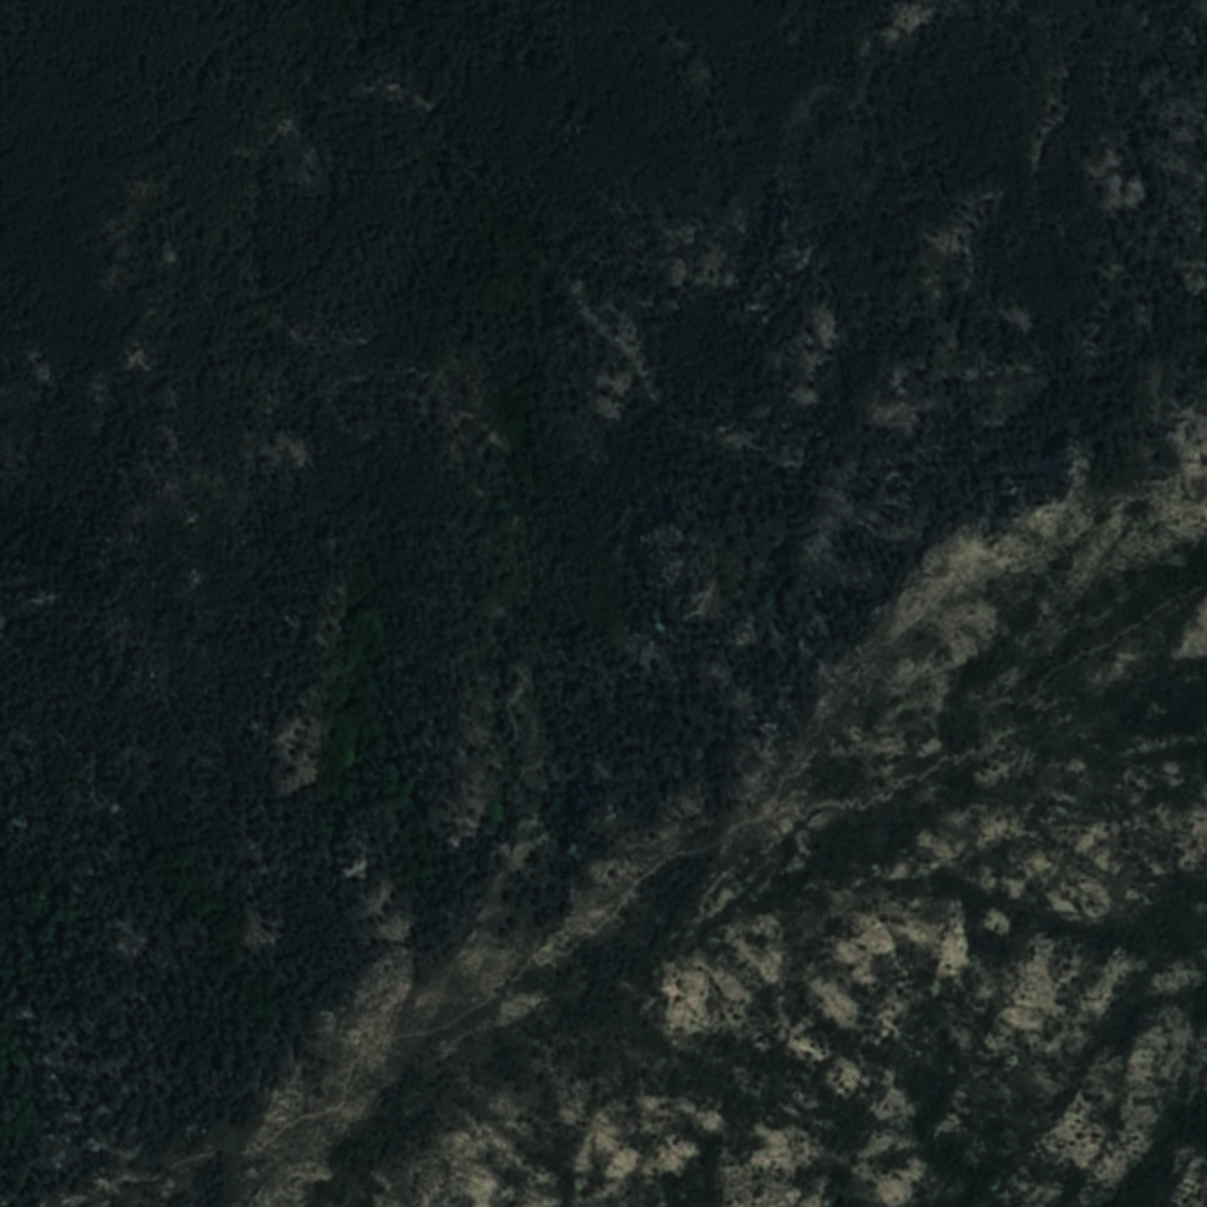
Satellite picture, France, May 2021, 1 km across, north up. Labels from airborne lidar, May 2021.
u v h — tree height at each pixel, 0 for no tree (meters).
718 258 0
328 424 13
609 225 14
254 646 11
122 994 17
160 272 6
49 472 15
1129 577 7
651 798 10
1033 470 10
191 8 21
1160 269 16
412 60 11
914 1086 6
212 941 13
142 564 15
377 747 13
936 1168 8
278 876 8
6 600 9
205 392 19
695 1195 9
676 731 15
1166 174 10
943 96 7
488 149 15
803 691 8
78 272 15
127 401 17
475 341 18
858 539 13
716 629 11
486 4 17
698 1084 9
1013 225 13
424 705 13
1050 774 0
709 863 7
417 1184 7
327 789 13
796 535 7
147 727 14
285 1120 0
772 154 14
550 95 19
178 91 19
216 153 20
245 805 18
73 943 14
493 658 8
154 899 15
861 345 11
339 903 16
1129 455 10
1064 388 17
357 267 9
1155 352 15
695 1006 0
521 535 10
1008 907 7
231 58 7
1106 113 15
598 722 15
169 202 6
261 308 13
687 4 19
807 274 7
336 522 10
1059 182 11
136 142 15
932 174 18
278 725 13
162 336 10
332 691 14
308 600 13
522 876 13
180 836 18
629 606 14
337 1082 0
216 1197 10
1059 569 7
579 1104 0
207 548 6
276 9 17
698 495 6
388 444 16
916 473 10
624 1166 0
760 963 0
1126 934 7
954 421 11
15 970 8
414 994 0
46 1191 8
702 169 13
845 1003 0
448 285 20
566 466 6
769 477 6
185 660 8
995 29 12
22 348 16
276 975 15
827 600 9
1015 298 12
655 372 11
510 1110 0
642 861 0
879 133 12
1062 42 17
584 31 17
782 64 17
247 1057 13
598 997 7
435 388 15
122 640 14
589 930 0
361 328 8
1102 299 13
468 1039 6
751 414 13
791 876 11
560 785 13
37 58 18
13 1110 11
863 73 15
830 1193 6
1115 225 13
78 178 14
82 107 16
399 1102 9
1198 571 12
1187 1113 13
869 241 17
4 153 14
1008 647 11
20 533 15
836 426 14
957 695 8
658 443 6
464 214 22
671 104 17
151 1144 7
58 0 21
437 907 10
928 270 8
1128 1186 6
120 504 12
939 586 0
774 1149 0
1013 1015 0
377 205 17
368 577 17
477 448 8
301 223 16
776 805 0
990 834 0
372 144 13
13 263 14
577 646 17
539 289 10
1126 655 0
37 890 12
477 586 13
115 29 15
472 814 9
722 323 10
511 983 8
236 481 15
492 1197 0
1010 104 13
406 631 17
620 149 18
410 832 16
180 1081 13
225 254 15
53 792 12
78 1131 8
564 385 13
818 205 6
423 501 13
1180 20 9
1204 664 6
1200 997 6
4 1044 13
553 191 17
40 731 9
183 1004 17
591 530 9
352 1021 0
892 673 0
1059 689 6
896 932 0
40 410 16
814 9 10
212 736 14
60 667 12
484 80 21
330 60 17
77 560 15
